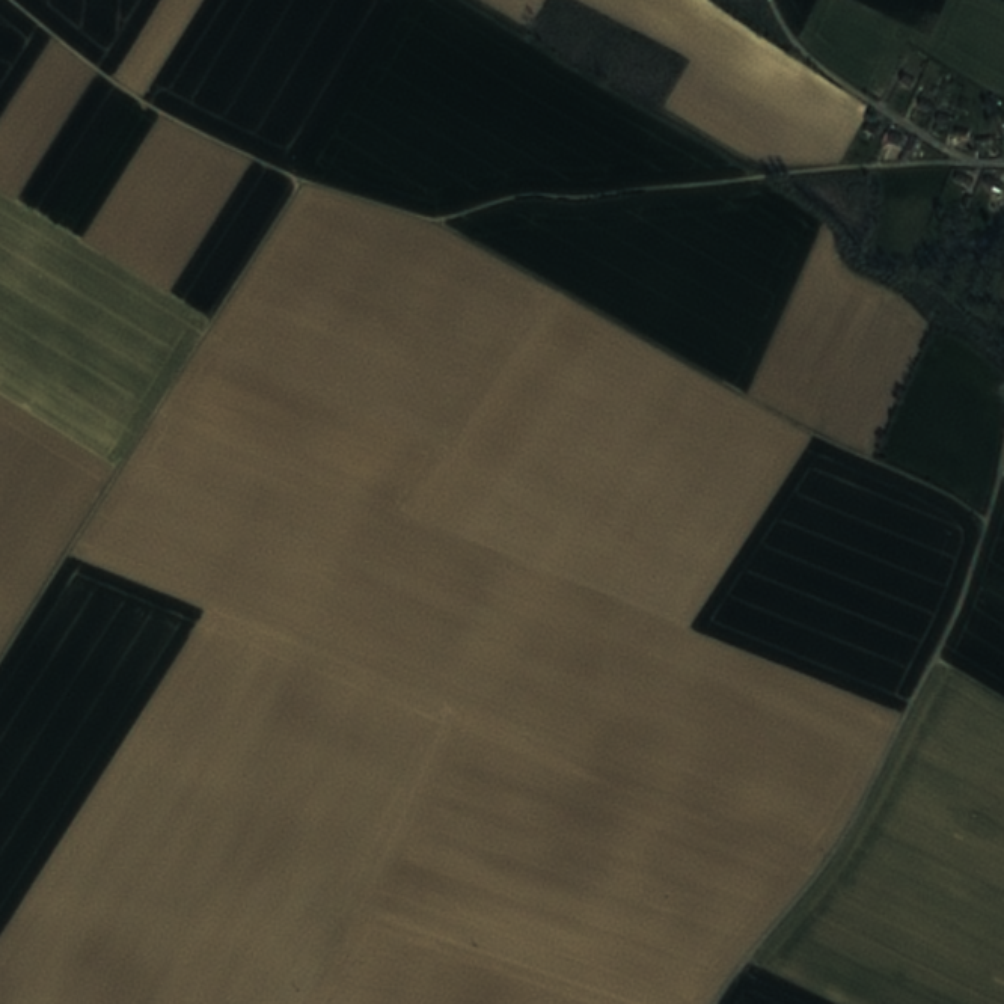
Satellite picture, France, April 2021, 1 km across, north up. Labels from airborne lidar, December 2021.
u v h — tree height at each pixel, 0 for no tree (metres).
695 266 0
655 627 0
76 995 0
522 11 0
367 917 0
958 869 0
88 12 0
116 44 0
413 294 0
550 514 0
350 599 0
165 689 0
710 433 0
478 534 0
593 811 0
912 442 0
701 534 0
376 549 0
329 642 0
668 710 0
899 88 0
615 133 0
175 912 0
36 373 0
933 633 0
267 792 0
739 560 0
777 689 0
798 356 0
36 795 0
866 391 0
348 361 0
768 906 0
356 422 0
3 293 0
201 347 0
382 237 0
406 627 0
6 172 0
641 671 0
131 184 0
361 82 0
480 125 0
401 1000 0
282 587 0
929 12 0
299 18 0
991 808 0
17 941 0
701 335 0
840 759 0
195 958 0
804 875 0
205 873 0
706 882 0
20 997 0
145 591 0
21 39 0
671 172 0
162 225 0
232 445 0
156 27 0
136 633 0
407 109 0
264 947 0
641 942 0
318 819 0
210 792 0
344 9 0
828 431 0
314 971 0
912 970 0
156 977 0
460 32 0
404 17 0
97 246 0
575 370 0
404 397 0
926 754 0
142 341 0
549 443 0
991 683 0
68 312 0
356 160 0
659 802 0
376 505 0
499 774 0
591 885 0
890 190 0
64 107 0
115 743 0
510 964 0
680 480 0
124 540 0
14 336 0
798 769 0
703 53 0
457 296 0
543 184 0
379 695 0
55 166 0
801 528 0
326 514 0
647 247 0
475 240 0
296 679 0
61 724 0
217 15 0
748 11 0
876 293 0
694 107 0
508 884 0
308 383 0
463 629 0
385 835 0
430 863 0
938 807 0
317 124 0
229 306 0
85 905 0
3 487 0
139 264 0
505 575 0
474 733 0
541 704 0
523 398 0
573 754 0
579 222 0
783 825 0
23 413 0
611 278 0
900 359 0
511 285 0
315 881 0
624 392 0
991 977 0
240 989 0
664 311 0
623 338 0
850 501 0
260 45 0
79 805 0
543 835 0
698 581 0
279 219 0
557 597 0
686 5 0
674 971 0
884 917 0
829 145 0
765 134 0
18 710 0
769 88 0
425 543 0
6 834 0
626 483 0
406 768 0
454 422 0
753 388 0
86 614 0
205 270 0
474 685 0
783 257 0
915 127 0
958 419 0
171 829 0
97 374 0
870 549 0
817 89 0
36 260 0
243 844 0
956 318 6
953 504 0
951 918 0
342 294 0
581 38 6
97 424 0
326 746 0
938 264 34
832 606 0
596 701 0
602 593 0
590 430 0
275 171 0
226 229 0
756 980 0
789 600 0
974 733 0
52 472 0
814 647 0
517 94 0
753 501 0
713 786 0
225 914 0
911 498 0
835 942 0
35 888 0
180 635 0
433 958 0
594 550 0
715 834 0
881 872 0
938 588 0
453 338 0
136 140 0
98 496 0
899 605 0
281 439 0
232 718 0
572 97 0
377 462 0
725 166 0
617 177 0
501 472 0
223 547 0
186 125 0
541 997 0
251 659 0
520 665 0
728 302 0
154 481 0
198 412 0
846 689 0
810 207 0
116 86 0
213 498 0
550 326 0
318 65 0
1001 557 0
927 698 0
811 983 0
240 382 0
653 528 0
